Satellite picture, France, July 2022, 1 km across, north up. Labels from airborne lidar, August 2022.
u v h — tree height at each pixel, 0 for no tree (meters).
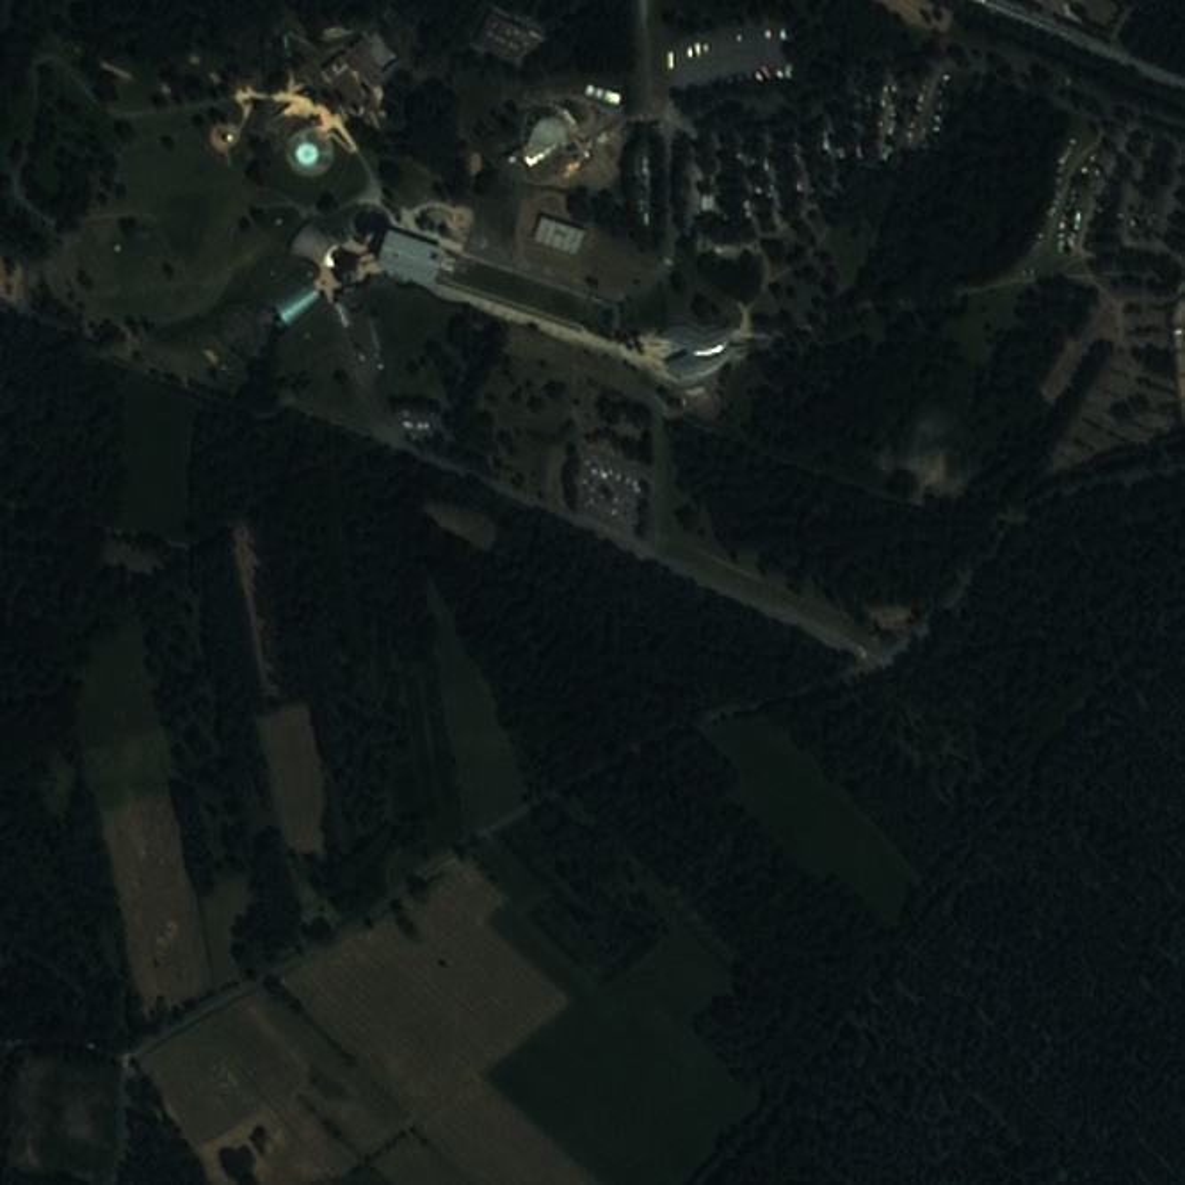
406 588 18
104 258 0
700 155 10
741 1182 10
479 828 0
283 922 22
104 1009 22
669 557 0
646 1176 0
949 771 20
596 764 13
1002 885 19
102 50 13
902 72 7
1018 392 20
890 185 19
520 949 0
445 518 0
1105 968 21
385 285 0
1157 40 19
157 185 0
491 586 21
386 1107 0
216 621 23
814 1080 26
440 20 20
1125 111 11
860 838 0
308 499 8
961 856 11
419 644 25
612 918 28
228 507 17
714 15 21
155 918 0
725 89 14
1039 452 14
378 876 7
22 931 21
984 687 22
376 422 0
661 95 0
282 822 0
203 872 23
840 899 12
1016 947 16
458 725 0
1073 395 15
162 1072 0
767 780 0
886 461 0
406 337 0
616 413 13
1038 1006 24
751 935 20
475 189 8
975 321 0
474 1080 0
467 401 16
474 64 12
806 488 15
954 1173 27
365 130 17
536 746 9
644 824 23
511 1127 0
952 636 18
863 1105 14
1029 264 0
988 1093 13
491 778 0
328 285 0
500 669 10
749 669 24
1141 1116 18
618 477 0
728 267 13
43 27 9
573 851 18
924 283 19
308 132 0
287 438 13
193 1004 11
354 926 0
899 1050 23
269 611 26
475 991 0
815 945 19
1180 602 22
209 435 13
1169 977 22
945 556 12
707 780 22
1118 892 22
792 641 15
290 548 19
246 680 26
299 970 0
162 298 0
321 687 24
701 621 14
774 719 14
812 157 17
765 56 0
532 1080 0
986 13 13
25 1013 20
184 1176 12
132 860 0
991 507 16
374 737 9
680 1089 0
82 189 8
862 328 5
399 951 0
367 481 14
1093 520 16
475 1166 0
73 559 23
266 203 0
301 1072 0
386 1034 0
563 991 0
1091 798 20
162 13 8
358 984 0
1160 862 21
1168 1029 20
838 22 17
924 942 19
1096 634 18
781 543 14
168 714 15
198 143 0
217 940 0
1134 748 19
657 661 7
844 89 19
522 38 0
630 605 22
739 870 12
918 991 19
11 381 27
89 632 18
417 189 0
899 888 0
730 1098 0
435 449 16
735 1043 21
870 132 10
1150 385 9
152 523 0
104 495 13
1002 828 17
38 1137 0
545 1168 0
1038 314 19
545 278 0
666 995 0
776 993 19
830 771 16
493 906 0
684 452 14
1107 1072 22
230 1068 0
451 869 0
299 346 0
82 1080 0
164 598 22
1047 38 12
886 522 15
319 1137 0
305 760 0
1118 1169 26
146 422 0
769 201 16
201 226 0
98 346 7
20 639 19
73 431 11
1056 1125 17
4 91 14
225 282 0
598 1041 0
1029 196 10
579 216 17
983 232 7
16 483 9
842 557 13
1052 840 17
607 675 16
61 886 6
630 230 8
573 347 0
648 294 0
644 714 20
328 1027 0
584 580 23
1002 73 18
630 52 13
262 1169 0
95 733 0
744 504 17
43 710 23
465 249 0
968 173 10
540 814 19
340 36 0
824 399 14
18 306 0
